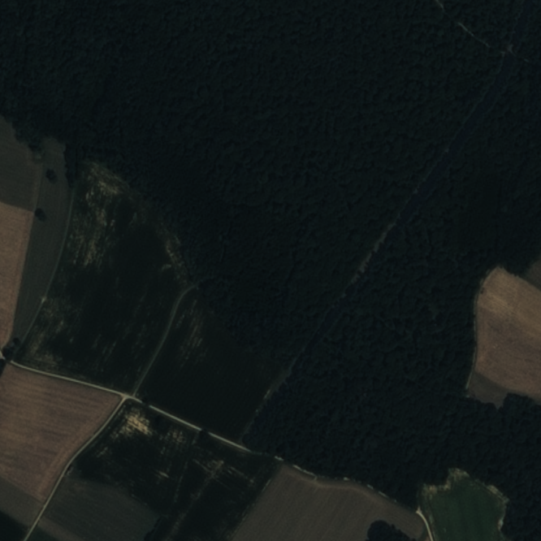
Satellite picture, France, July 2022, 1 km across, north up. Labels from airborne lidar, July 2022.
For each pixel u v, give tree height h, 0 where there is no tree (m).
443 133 16
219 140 21
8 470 0
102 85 7
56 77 21
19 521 0
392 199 23
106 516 0
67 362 0
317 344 28
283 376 0
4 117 20
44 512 0
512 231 25
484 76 17
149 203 24
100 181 0
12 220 0
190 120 18
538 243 25
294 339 28
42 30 21
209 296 19
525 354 0
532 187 26
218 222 25
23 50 12
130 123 25
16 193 0
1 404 0
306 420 14
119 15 25
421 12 18
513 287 0
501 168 18
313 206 23
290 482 0
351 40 24
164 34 20
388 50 26
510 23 16
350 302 24
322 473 14
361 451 15
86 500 0
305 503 0
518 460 26
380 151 26
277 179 27
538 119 30
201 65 18
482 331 0
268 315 16
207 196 24
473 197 10
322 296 24
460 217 6
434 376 22
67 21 17
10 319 0
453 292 20
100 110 27
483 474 24
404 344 21
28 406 0
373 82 26
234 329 23
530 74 15
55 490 0
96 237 0
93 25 22
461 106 18
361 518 0
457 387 21
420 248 22
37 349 0
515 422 26
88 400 0
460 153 20
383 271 19
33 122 12
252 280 8
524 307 0
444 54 19
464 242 7
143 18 22
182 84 20
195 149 30
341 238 27
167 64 19
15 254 0
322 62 22
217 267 16
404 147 20
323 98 22
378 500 0
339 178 24
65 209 0
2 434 0
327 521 0
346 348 29
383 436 12
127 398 0
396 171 23
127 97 22
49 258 0
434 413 21
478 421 18
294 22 25
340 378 28
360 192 23
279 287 9
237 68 24
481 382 0
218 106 29
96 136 21
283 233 15
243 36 20
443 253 27
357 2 23
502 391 0
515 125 25
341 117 26
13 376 0
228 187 25
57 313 0
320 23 27
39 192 0
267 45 28
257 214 16
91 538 0
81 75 31
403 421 22
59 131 22
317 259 27
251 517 0
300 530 0
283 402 19
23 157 0
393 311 27
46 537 0
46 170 0
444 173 21
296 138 20
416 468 16
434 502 0
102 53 31
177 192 28
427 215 28
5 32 30
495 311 0
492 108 16
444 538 0
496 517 0
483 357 0
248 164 15
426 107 21
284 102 26
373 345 24
